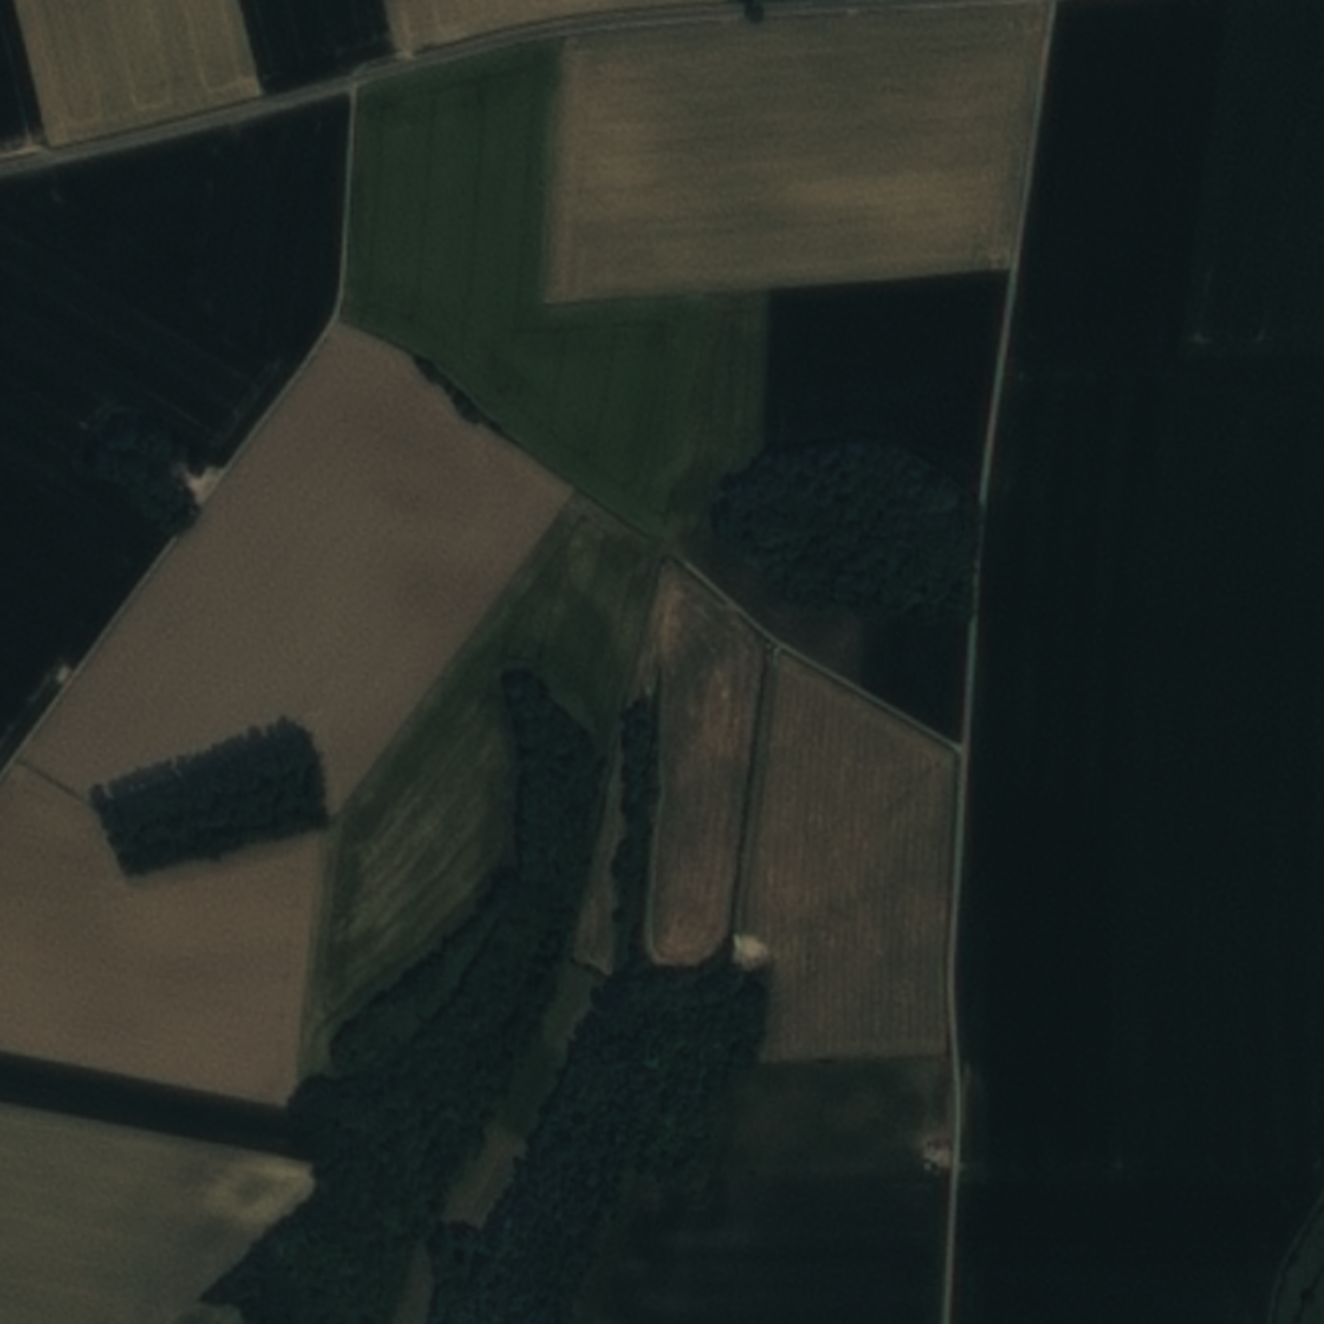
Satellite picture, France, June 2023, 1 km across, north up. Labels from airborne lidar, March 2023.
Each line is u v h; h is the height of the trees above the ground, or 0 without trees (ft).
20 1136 0
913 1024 0
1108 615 0
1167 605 0
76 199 0
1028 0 0
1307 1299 33
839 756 0
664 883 0
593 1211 67
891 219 0
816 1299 0
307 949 0
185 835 40
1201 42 0
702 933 0
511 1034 46
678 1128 53
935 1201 0
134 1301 0
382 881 0
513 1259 59
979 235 0
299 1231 35
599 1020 39
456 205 0
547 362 0
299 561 0
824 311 0
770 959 0
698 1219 0
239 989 0
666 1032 51
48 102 0
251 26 0
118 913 0
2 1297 0
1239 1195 0
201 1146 0
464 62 0
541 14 0
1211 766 0
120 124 0
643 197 0
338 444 0
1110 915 0
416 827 0
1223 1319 0
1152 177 0
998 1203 0
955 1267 0
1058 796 0
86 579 0
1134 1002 0
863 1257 0
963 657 0
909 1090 0
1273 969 0
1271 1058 0
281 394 0
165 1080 0
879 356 0
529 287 0
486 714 0
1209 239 0
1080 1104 0
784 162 0
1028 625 0
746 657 0
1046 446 0
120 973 0
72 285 0
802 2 0
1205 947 0
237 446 0
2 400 0
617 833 0
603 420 0
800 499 73
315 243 0
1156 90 0
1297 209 0
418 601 0
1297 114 0
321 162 0
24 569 0
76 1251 0
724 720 0
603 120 0
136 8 0
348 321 0
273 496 0
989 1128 0
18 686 0
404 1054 21
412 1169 31
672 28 0
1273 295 0
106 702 0
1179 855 0
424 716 0
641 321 0
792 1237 0
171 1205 0
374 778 0
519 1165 39
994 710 0
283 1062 0
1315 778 0
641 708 24
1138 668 0
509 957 47
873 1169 0
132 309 0
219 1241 0
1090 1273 0
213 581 0
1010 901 0
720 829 0
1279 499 0
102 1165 0
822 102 0
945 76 0
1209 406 0
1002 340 0
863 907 0
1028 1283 0
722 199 0
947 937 0
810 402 0
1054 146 0
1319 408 0
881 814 0
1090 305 0
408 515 0
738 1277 0
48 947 0
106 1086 0
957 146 0
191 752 0
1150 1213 0
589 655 0
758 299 0
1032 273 0
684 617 0
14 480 0
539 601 0
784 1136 0
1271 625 0
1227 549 0
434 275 0
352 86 0
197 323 0
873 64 0
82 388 0
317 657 0
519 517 0
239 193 0
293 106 0
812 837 0
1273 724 0
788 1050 0
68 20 0
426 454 0
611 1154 49
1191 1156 0
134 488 65
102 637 0
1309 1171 0
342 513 0
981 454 0
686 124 0
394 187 0
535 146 0
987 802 0
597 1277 0
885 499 73
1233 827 0
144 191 0
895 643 0
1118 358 0
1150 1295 0
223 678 0
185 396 0
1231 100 0
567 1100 66
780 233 0
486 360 0
